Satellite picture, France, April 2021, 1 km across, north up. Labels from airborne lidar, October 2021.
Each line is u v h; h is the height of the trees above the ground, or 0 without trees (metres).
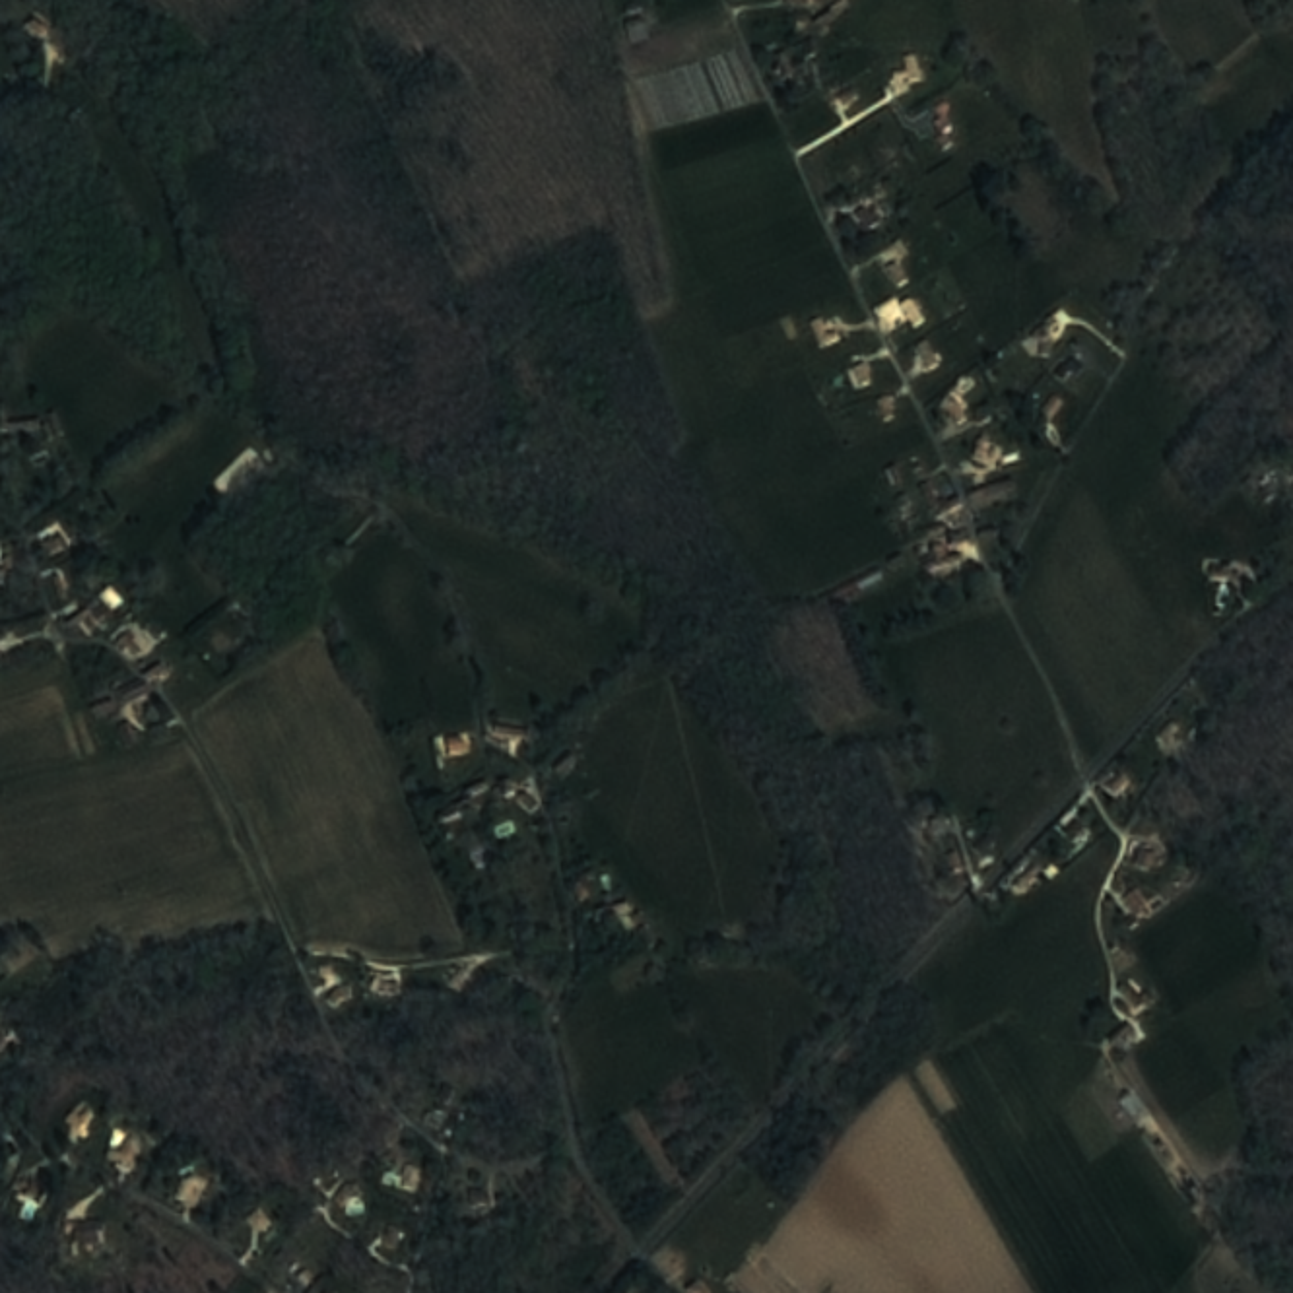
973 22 0
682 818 0
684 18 0
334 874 0
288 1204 9
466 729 0
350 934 0
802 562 0
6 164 24
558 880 8
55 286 20
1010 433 6
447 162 23
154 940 0
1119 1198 0
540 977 14
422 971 0
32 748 0
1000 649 0
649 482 19
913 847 17
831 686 20
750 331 0
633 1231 14
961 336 0
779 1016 0
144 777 0
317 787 0
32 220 22
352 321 7
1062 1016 0
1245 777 13
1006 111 8
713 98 0
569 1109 14
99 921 0
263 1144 12
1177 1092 0
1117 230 17
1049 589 0
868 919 17
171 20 17
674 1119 10
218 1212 9
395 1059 18
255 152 14
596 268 16
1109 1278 0
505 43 25
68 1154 22
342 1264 13
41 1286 14
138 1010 18
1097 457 0
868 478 0
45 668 0
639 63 0
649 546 18
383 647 0
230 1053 19
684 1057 0
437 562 0
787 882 9
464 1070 16
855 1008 11
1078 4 0
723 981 0
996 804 6
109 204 29
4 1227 11
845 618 17
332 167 16
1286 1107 9
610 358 17
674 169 0
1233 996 0
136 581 12
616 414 17
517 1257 20
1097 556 0
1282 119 0
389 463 24
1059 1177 0
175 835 0
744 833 0
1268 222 25
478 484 24
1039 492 0
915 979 0
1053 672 0
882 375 0
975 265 0
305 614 24
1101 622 0
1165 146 24
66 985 7
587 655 0
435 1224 16
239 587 23
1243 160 0
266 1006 13
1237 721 13
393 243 15
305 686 0
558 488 18
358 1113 15
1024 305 0
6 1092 18
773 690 22
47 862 0
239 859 0
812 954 14
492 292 16
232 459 0
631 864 0
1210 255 12
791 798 16
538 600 0
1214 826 14
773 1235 0
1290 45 0
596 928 10
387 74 18
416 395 8
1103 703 0
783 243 0
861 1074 8
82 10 24
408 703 0
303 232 8
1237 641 10
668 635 14
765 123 0
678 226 0
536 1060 20
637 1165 10
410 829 0
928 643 0
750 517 0
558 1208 10
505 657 0
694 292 0
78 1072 14
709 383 0
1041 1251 0
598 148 26
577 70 25
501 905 11
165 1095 11
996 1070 0
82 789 0
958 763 0
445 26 25
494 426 10
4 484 12
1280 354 15
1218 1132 0
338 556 19
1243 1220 15
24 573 10
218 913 0
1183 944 0
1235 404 17
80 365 0
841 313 0
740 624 19
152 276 19
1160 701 0
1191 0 0
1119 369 0
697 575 18
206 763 0
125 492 0
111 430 0
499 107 25
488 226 24
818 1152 10
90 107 0
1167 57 18
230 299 23
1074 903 0
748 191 0
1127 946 8
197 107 22
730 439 0
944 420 6
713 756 0
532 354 11
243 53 17
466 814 14
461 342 9
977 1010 0
